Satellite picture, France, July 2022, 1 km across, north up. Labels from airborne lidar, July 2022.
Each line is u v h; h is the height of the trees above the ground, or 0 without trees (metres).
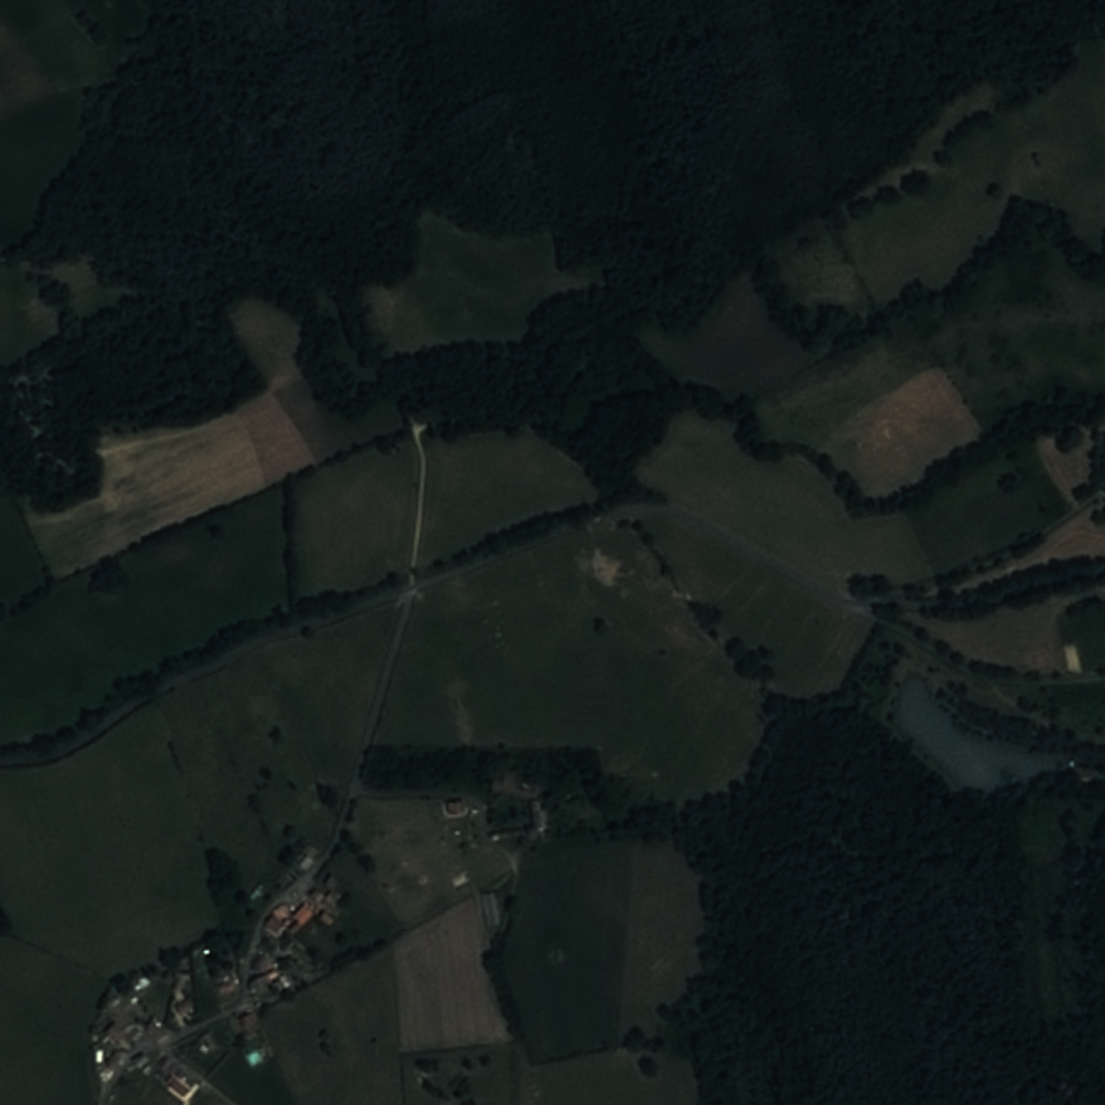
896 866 18
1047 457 0
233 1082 0
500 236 20
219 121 21
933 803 23
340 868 0
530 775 8
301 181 21
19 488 11
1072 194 0
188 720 0
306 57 22
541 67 15
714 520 0
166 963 16
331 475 0
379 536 0
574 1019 0
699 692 0
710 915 13
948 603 18
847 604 0
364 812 0
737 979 17
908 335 0
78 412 14
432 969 0
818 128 13
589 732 0
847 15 16
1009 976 23
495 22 11
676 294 25
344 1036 0
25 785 0
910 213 0
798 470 0
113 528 0
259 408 0
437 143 21
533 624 0
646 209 27
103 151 14
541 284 0
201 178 21
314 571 0
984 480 0
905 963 20
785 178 11
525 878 0
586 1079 0
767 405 0
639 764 0
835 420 0
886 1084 18
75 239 17
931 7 19
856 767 26
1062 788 17
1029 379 0
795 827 24
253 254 24
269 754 0
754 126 13
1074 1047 15
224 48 18
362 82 10
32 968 0
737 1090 13
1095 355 0
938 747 0
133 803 0
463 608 0
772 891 22
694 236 21
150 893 0
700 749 0
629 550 0
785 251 0
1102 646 0
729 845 21
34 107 0
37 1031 0
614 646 0
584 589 0
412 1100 0
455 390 24
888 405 0
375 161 21
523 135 15
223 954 12
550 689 0
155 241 20
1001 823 20
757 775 15
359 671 0
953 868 23
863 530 0
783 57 13
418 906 0
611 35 17
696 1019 18
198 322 21
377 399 20
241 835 0
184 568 0
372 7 22
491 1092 0
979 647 0
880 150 13
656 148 23
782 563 0
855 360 0
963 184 0
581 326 20
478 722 0
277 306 14
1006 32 17
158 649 0
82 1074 0
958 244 0
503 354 21
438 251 0
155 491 0
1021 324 0
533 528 17
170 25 17
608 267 19
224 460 0
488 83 9
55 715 0
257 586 0
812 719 20
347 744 0
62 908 0
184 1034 0
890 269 0
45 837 0
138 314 14
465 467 0
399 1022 0
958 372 0
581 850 0
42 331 0
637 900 0
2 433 21
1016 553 12
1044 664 0
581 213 24
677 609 0
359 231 15
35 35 0
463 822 0
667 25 21
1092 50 0
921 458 0
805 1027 18
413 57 13
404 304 0
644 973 0
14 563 0
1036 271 0
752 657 22
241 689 0
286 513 12
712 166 22
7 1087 0
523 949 0
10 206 0
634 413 26
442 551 0
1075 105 0
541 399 24
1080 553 0
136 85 9
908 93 19
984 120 17
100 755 0
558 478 0
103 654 0
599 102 16
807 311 19
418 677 0
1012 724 13
